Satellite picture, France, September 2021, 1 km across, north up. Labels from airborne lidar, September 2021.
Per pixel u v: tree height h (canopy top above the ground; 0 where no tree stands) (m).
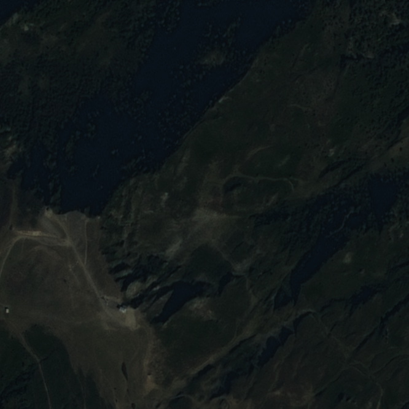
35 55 0
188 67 8
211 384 0
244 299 0
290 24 7
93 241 0
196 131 0
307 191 0
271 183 0
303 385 0
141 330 0
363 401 0
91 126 8
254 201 0
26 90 0
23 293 0
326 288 0
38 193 0
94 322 0
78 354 0
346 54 7
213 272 0
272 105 0
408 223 0
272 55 0
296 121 0
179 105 7
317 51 0
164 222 0
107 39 0
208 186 0
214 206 0
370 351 0
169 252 0
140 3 8
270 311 0
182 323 0
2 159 0
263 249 0
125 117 0
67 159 7
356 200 8
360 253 0
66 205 0
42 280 0
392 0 20
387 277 0
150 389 0
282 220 6
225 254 0
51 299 0
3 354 0
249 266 0
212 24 7
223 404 0
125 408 0
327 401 0
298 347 0
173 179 0
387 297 0
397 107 12
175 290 0
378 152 0
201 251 0
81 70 0
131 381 0
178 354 0
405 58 13
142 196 0
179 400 0
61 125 7
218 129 0
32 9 11
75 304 0
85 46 0
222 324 0
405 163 0
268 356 0
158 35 6
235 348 0
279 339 0
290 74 0
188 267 0
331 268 0
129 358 0
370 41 19
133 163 13
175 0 8
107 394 0
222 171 0
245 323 0
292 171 0
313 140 0
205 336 0
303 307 0
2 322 0
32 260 0
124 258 0
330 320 0
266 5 0
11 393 6
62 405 0
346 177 6
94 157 0
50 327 0
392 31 10
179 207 0
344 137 0
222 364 0
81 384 0
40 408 0
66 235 0
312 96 0
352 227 7
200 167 0
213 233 0
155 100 6
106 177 6
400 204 8
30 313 0
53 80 7
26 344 0
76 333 0
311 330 0
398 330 0
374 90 13
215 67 0
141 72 0
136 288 0
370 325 0
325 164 0
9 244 0
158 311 0
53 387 0
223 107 0
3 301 0
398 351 0
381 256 0
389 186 7
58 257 0
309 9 6
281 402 0
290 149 0
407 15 12
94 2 6
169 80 10
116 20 7
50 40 0
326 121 0
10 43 0
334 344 0
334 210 8
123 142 10
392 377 0
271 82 0
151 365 0
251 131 0
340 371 0
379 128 6
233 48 6
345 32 0
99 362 0
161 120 8
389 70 11
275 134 0
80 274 0
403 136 0
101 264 0
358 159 8
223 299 0
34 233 0
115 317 0
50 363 0
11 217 0
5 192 0
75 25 10
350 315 0
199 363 0
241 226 0
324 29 9
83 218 0
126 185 0
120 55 0
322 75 0
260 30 9
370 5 7
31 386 0
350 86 0
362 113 0
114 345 0
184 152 0
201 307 0
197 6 15
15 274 0
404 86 9
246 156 0
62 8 13
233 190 0
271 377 0
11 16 6
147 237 0
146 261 0
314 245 0
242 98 0
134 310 0
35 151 5
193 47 9
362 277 0
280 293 0
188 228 0
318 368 0
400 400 0
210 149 0
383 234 0
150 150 6
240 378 0
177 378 0
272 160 0
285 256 0
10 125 8
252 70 0
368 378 0
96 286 0
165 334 0
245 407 0
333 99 0
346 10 0
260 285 0
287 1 0
